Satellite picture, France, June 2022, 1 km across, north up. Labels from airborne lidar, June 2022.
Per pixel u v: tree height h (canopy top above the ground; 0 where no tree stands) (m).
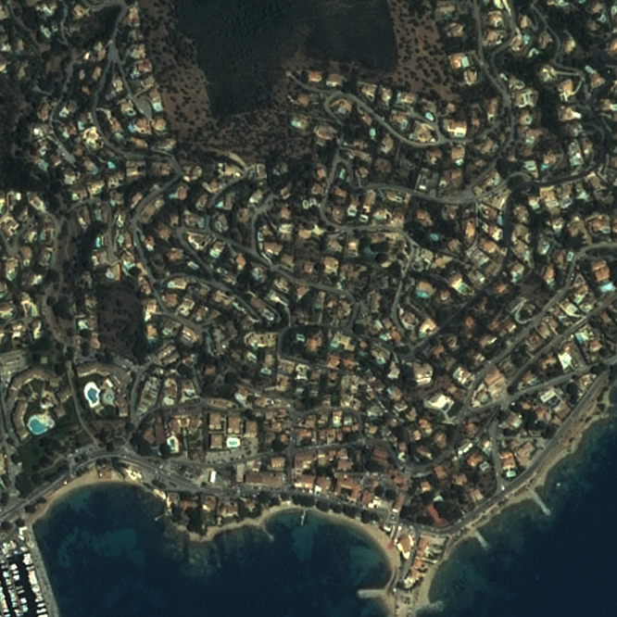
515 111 7
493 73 8
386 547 0
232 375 12
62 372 13
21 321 7
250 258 9
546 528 0
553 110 6
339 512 13
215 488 0
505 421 16
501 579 0
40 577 0
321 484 0
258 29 10
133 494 0
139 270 9
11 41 11
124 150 7
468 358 9
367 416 6
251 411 11
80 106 6
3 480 0
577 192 8
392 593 0
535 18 7
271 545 0
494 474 6
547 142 7
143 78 7
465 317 10
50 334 7
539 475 0
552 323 0
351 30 6
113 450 7
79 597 0
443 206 6
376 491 10
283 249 6
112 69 7
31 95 20
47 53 11
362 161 9
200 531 10
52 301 10
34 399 9
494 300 9
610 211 9
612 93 7
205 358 12
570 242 14
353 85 10
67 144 6
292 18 5
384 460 0
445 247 11
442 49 7
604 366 13
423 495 10
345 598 0
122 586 0
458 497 13
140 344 9
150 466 0
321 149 6
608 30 7
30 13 8
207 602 0
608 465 0
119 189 9
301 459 0
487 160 6
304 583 0
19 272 7
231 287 6
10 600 0
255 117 6
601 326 7
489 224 6
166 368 7
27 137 19
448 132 7
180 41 9
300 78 14
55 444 9
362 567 0
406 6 8
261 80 6
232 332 0
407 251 8
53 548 0
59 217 12
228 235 7
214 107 6
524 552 0
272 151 7
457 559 0
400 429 13
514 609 0
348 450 10
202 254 5
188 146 6
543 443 0
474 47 11
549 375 11
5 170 7
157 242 12
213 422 0
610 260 6
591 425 0
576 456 0
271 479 0
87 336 11
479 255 0
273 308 6
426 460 13
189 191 8
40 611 0
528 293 0
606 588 0
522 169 12
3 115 7
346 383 0
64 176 10
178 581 0
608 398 0
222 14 10
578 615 0
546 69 0
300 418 0
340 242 11
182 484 0
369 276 7
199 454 0
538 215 9
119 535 0
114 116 9
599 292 5
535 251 8
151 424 7
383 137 7
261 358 9
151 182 8
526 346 6
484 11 8
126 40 8
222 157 10
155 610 0
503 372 7
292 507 0
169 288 7
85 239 11
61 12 10
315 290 8
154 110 6
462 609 0
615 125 9
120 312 8
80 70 8
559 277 13
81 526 0
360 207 7
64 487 0
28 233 0
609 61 9
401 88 7
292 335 7
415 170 7
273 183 9
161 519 0
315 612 0
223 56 6
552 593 0
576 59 14
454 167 6
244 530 0
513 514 0
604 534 0
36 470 8
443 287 6
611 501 0
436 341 13
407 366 8
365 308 0
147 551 0
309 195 5
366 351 6
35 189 7
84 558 0
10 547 0
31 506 9
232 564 0
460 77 9
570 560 0
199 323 7
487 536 0
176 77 5
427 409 6
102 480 0
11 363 0
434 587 0
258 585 0
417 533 0
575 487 0
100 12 10
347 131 11
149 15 9
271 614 0
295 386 6
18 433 0
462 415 0
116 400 0
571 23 10
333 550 0
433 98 6
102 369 0
